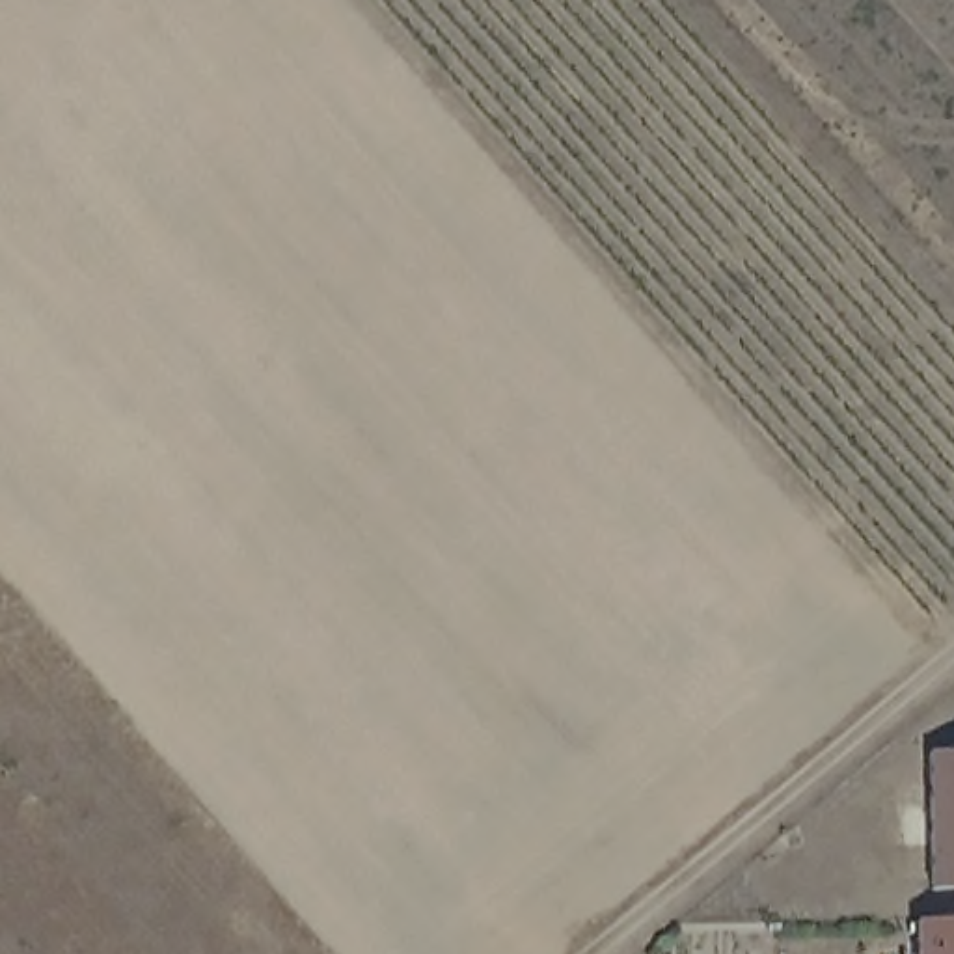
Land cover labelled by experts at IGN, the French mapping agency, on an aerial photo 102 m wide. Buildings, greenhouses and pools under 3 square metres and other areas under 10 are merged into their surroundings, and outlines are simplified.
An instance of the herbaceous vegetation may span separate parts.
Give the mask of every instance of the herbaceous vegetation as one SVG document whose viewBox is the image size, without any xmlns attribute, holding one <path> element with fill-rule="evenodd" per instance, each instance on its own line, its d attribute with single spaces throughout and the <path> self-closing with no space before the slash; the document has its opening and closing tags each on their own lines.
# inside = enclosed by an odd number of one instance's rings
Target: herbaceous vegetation
<svg viewBox="0 0 954 954">
<path fill-rule="evenodd" d="M 872 738 L 838 771 L 831 771 L 749 850 L 727 857 L 716 876 L 693 887 L 689 902 L 678 906 L 671 920 L 682 924 L 682 954 L 924 954 L 920 920 L 954 917 L 954 891 L 924 891 L 924 745 L 954 749 L 954 678 L 943 689 L 928 693 L 920 704 L 913 704 L 894 727 Z M 831 920 L 853 913 L 894 920 L 891 935 L 868 924 L 838 928 L 838 935 L 779 932 L 790 917 Z"/>
</svg>

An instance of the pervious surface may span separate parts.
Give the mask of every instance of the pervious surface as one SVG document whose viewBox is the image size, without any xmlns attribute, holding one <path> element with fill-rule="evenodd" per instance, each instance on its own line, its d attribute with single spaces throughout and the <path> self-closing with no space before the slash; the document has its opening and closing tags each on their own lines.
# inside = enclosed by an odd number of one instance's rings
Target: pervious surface
<svg viewBox="0 0 954 954">
<path fill-rule="evenodd" d="M 917 641 L 909 645 L 909 660 L 891 678 L 865 693 L 842 719 L 835 719 L 816 742 L 797 749 L 775 775 L 768 775 L 749 797 L 723 812 L 704 835 L 682 846 L 622 902 L 585 920 L 563 954 L 641 954 L 648 947 L 652 928 L 671 920 L 678 906 L 689 902 L 693 887 L 716 876 L 727 857 L 749 850 L 831 771 L 838 771 L 872 738 L 894 727 L 913 704 L 920 704 L 928 693 L 943 689 L 954 678 L 954 611 L 939 600 L 920 619 L 909 615 L 898 622 Z"/>
</svg>

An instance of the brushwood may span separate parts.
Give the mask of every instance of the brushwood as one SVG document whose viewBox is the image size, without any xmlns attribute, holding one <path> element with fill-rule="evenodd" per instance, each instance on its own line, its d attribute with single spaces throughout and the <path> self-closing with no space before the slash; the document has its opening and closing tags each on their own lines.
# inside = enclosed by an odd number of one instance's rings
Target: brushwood
<svg viewBox="0 0 954 954">
<path fill-rule="evenodd" d="M 894 920 L 853 913 L 831 920 L 790 917 L 779 932 L 838 935 L 838 928 L 868 924 L 891 935 Z"/>
</svg>

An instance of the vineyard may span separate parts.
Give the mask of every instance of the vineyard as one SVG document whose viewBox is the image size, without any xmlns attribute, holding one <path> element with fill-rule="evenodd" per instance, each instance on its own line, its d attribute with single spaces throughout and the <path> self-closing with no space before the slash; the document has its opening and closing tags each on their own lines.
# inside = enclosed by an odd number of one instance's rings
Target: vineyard
<svg viewBox="0 0 954 954">
<path fill-rule="evenodd" d="M 906 175 L 906 168 L 898 168 L 872 138 L 865 138 L 865 123 L 835 93 L 820 86 L 805 48 L 797 48 L 794 41 L 779 41 L 779 26 L 756 0 L 350 0 L 380 34 L 380 41 L 402 56 L 410 75 L 417 75 L 436 93 L 443 112 L 458 119 L 458 127 L 559 231 L 559 239 L 611 283 L 615 302 L 656 343 L 656 350 L 682 376 L 682 384 L 734 432 L 753 466 L 801 507 L 801 514 L 842 552 L 850 570 L 898 622 L 909 615 L 920 619 L 939 600 L 954 611 L 954 220 L 928 198 L 913 194 L 913 179 Z"/>
</svg>

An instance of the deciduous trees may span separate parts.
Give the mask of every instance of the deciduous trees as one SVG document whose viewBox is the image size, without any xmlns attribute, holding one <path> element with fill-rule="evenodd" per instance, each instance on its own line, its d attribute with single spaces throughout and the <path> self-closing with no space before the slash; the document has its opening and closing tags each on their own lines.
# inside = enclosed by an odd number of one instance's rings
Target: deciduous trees
<svg viewBox="0 0 954 954">
<path fill-rule="evenodd" d="M 682 924 L 671 920 L 652 928 L 648 947 L 641 954 L 682 954 Z"/>
</svg>

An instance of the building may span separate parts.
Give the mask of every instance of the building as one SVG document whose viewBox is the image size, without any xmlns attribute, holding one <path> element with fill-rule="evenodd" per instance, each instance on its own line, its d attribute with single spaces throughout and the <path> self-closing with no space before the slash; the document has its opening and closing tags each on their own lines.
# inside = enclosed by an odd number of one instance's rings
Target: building
<svg viewBox="0 0 954 954">
<path fill-rule="evenodd" d="M 954 954 L 954 917 L 920 920 L 924 954 Z"/>
<path fill-rule="evenodd" d="M 924 891 L 954 891 L 954 749 L 924 745 Z"/>
</svg>

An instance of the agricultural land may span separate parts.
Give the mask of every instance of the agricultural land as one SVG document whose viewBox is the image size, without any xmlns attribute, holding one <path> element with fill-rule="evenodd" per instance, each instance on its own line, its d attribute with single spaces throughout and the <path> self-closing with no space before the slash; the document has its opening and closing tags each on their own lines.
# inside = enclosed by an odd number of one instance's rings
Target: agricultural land
<svg viewBox="0 0 954 954">
<path fill-rule="evenodd" d="M 801 514 L 801 507 L 753 466 L 734 432 L 682 384 L 682 376 L 656 350 L 656 343 L 615 302 L 611 283 L 559 239 L 559 231 L 458 127 L 458 119 L 443 112 L 436 93 L 417 75 L 410 75 L 402 56 L 380 41 L 380 34 L 350 0 L 0 0 L 0 954 L 563 954 L 585 920 L 622 902 L 682 846 L 704 835 L 723 812 L 749 797 L 768 775 L 775 775 L 797 749 L 816 742 L 835 719 L 842 719 L 865 693 L 891 678 L 909 660 L 909 645 L 917 641 L 898 622 L 850 570 L 842 552 Z"/>
<path fill-rule="evenodd" d="M 906 168 L 906 175 L 913 179 L 913 194 L 928 198 L 954 220 L 954 0 L 756 0 L 779 26 L 779 41 L 794 41 L 797 48 L 805 48 L 820 86 L 835 93 L 865 123 L 865 138 L 872 138 L 898 168 Z"/>
</svg>

